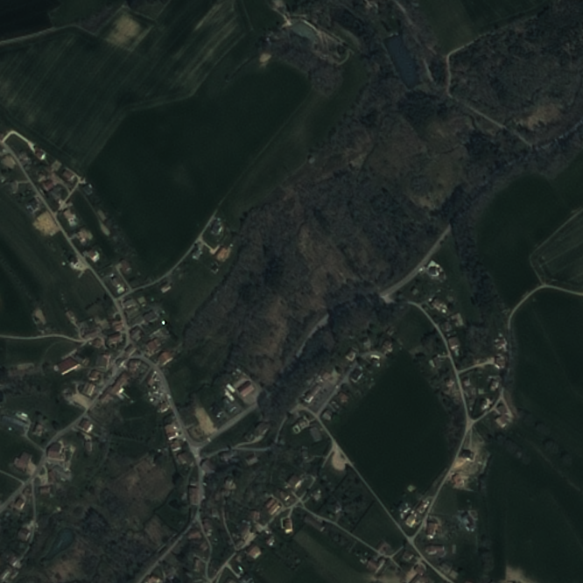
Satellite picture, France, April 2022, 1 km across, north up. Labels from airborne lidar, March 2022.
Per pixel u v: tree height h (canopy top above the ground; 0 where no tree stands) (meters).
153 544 0
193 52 0
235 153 0
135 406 0
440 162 0
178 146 0
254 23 0
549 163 21
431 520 0
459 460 0
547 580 0
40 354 0
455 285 0
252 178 0
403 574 15
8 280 0
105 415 0
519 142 17
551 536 0
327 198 21
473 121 0
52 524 9
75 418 0
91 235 0
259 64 0
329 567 0
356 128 24
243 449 0
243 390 0
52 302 0
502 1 0
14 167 0
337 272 0
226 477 9
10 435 0
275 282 29
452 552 0
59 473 0
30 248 0
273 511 0
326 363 15
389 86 26
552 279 0
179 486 18
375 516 0
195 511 0
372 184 18
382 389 0
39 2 0
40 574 0
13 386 22
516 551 0
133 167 0
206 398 0
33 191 0
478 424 0
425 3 0
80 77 0
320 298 0
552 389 0
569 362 0
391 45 0
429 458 0
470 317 0
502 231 0
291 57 21
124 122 0
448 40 0
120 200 0
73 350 0
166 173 0
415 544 0
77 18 0
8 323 0
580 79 0
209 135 0
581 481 0
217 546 0
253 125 0
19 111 0
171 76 0
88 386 0
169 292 0
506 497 0
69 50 0
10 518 6
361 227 9
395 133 15
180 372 0
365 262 0
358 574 0
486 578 0
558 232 0
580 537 0
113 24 0
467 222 23
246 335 12
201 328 22
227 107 0
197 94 0
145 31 0
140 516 0
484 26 0
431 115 24
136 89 0
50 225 0
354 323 22
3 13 0
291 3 0
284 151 0
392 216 18
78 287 0
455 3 0
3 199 0
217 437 0
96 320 0
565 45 9
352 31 9
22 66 0
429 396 0
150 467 0
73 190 0
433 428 0
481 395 0
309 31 0
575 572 0
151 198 0
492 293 17
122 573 12
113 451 8
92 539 21
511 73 17
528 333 0
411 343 0
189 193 0
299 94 0
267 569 0
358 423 0
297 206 0
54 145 0
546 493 0
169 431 0
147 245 0
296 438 0
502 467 0
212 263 0
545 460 0
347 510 16
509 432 0
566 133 0
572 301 0
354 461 0
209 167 0
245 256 21
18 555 7
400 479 0
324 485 13
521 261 0
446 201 0
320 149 18
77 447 0
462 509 0
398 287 0
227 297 26
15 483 0
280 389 14
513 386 12
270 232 26
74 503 0
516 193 0
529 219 0
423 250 15
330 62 0
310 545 0
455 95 19
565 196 0
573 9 8
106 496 9
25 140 0
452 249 0
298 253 8
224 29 0
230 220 0
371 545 0
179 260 0
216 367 0
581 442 0
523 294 0
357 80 0
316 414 0
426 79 25
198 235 0
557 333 0
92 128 0
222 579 0
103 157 0
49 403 0
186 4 0
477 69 21
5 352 0
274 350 0
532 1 0
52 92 0
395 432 0
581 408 0
